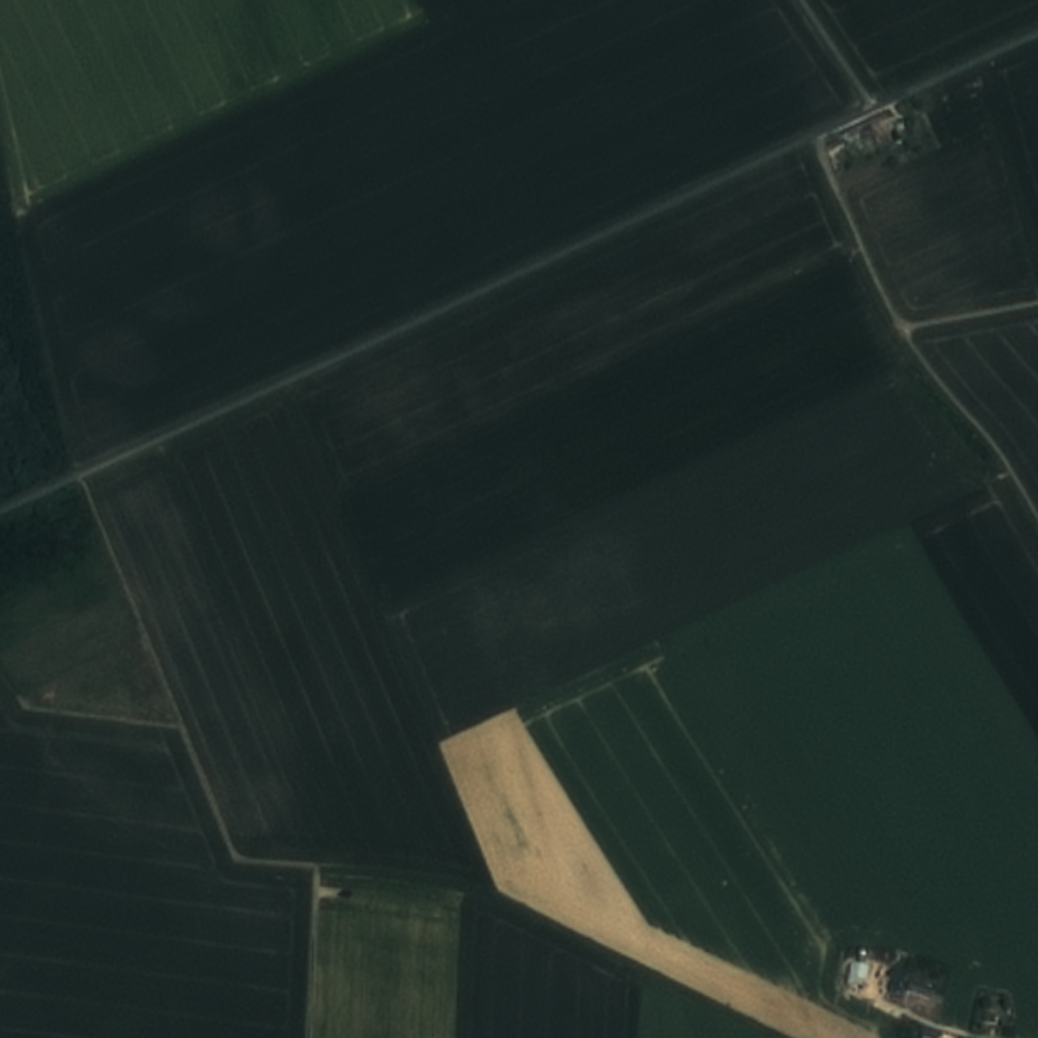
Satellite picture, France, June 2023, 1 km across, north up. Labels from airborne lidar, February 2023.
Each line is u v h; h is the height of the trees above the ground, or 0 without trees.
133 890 0
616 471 0
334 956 0
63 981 0
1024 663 0
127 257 0
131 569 0
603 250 0
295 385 0
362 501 0
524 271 0
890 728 0
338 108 0
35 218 0
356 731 0
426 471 0
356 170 0
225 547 0
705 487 0
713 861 0
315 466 0
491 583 0
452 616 0
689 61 0
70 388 0
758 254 0
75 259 0
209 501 0
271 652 0
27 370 12
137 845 0
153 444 0
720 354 0
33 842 0
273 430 0
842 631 0
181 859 0
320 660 0
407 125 0
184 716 0
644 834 0
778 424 0
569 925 0
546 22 0
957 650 0
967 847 0
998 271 0
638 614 0
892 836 0
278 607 0
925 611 0
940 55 0
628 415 0
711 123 0
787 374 0
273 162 0
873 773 0
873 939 0
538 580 0
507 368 0
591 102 0
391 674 0
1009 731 0
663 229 0
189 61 0
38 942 0
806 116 0
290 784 0
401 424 0
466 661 0
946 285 0
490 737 0
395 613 0
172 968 0
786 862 0
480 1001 0
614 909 0
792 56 0
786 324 0
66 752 0
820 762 0
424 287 0
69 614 0
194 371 0
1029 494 0
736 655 0
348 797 0
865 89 0
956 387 0
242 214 0
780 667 0
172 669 0
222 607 0
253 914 0
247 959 0
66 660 0
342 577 0
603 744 0
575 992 0
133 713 0
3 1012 0
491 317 0
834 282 0
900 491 0
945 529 0
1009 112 0
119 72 0
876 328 0
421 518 0
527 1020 0
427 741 0
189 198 0
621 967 0
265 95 0
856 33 0
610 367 0
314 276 0
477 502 0
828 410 0
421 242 0
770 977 0
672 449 0
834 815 0
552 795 0
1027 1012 0
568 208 0
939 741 0
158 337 0
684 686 0
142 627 0
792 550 0
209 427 0
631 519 0
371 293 0
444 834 0
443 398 0
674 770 0
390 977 0
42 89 0
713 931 0
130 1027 0
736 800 0
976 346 0
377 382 0
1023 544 0
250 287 0
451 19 0
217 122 0
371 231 0
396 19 0
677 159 0
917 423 0
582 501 0
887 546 0
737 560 0
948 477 0
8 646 0
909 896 0
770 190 0
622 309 0
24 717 0
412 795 0
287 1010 0
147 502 0
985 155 0
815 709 0
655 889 0
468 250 0
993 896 0
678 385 0
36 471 17
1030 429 0
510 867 0
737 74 0
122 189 0
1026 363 0
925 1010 0
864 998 0
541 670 0
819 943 0
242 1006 0
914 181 0
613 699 0
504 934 0
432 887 0
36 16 0
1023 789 0
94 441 0
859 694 0
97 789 0
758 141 0
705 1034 0
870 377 0
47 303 0
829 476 0
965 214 0
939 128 0
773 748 0
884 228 0
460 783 0
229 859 0
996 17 0
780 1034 0
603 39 0
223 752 0
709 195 0
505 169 0
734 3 0
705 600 0
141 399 0
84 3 0
